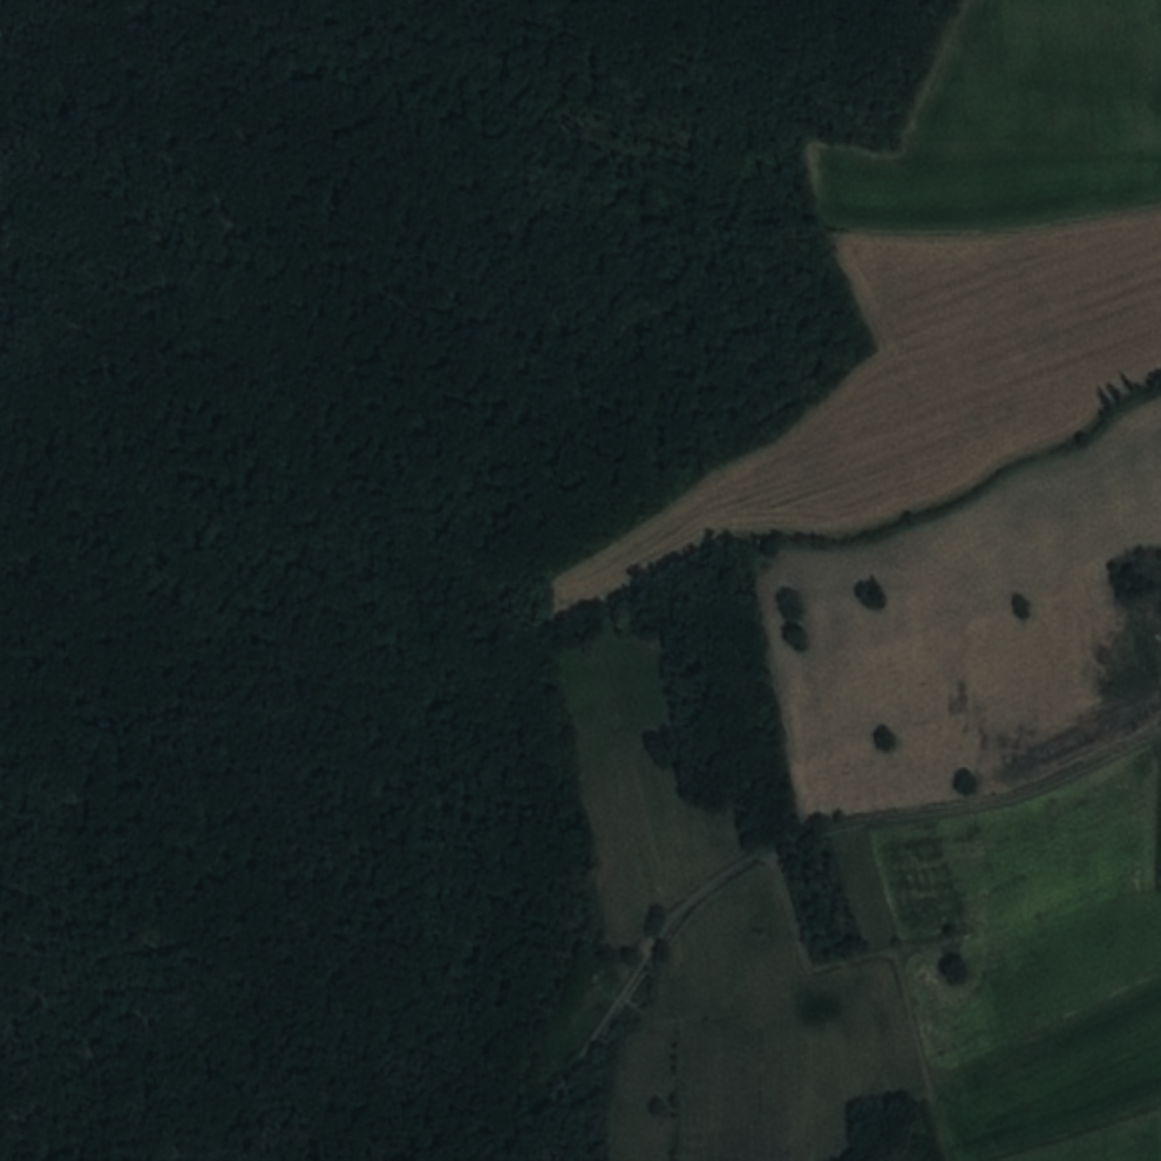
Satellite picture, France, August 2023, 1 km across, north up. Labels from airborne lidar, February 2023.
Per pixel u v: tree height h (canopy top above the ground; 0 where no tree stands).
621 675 0
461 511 18
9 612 23
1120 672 0
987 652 0
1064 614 0
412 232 20
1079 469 0
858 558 0
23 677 26
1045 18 0
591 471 21
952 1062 0
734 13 21
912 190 0
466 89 21
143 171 25
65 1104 23
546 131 25
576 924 17
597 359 21
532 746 24
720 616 24
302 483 21
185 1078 19
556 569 15
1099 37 0
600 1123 16
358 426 22
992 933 0
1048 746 0
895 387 0
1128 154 0
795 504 0
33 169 22
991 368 0
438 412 22
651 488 21
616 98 24
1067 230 0
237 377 20
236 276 18
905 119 15
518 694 21
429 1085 23
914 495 0
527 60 21
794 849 13
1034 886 0
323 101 23
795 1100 0
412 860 25
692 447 20
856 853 0
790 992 0
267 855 24
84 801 20
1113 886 0
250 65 20
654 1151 0
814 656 0
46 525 23
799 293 16
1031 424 0
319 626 23
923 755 0
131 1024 19
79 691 23
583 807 16
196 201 21
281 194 22
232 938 23
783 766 19
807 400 20
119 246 19
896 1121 18
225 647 24
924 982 0
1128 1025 0
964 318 0
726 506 0
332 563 25
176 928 23
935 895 0
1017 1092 0
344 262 21
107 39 23
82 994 11
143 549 25
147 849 26
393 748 25
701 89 22
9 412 22
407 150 21
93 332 22
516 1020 22
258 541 25
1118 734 0
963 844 0
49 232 19
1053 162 0
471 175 23
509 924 21
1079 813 0
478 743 20
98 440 23
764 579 0
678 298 24
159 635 23
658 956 11
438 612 24
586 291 21
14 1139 21
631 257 22
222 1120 24
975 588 0
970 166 0
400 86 22
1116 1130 0
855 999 0
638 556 0
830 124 21
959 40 0
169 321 21
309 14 22
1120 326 0
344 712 19
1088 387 0
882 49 20
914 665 0
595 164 23
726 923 0
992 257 0
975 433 0
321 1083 25
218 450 23
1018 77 0
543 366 18
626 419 22
